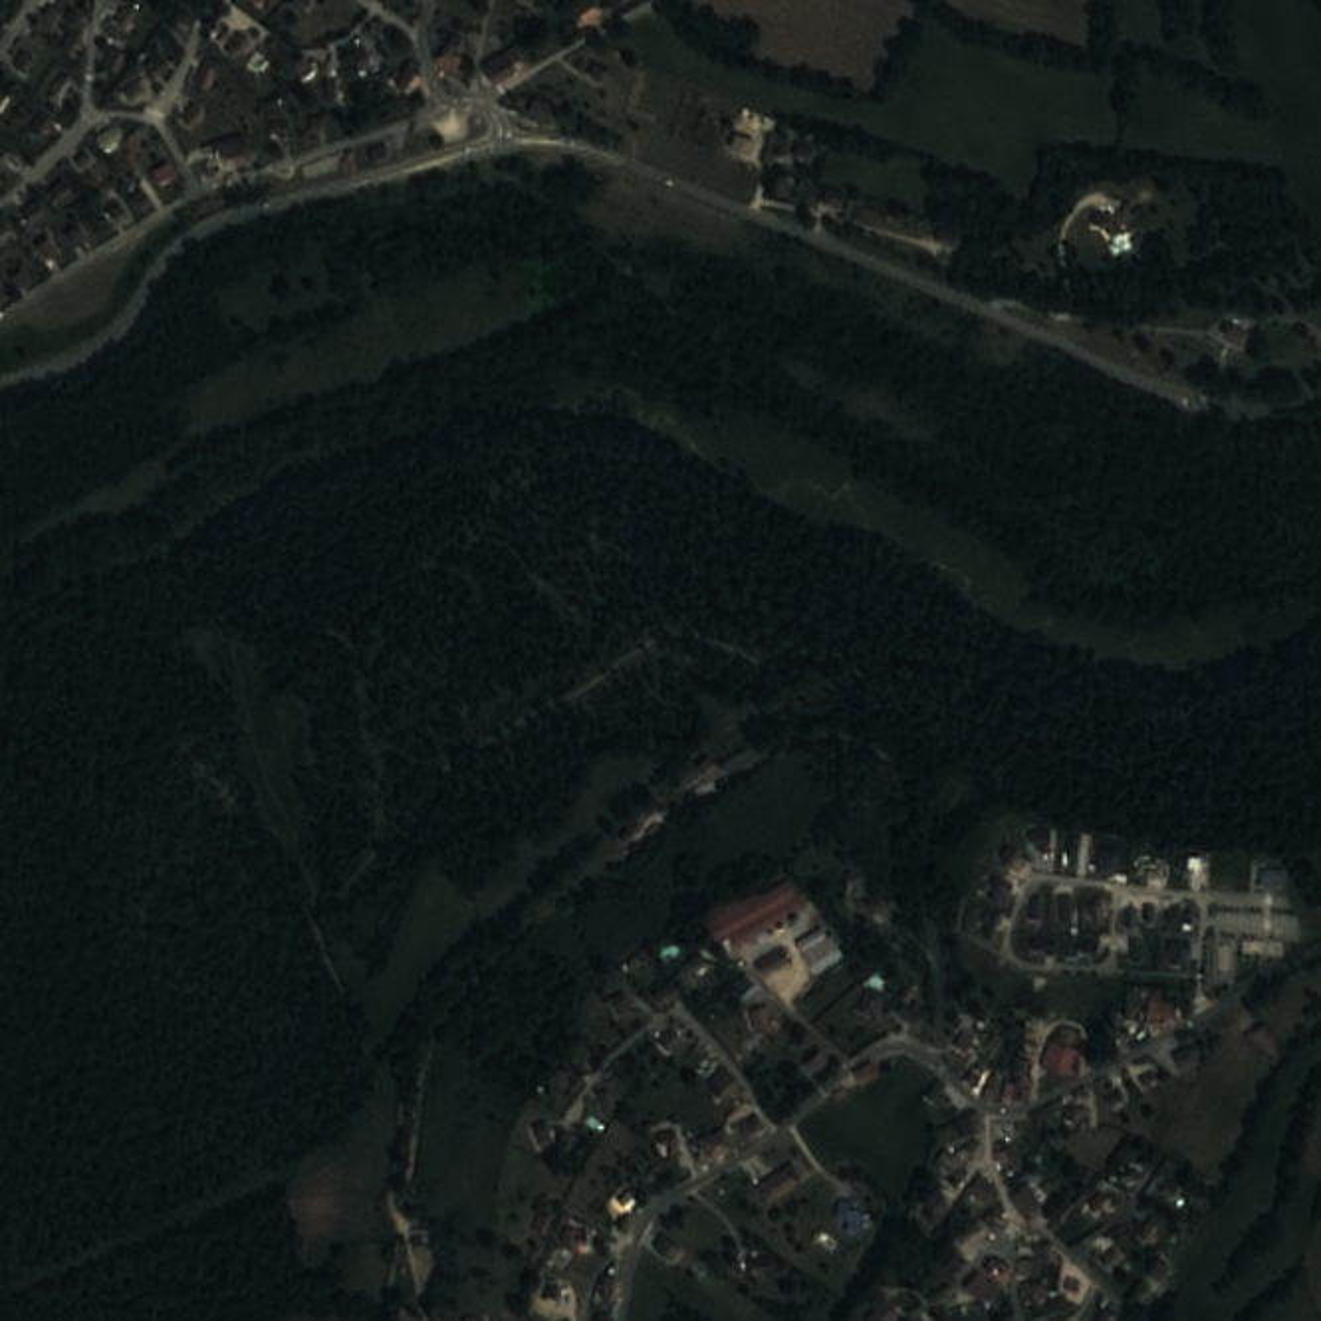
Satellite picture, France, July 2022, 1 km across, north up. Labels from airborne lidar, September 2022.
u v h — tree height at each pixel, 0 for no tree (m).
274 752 0
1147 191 0
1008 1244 0
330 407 16
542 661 13
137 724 9
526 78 0
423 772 13
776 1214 8
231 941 11
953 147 0
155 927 8
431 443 32
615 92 0
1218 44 25
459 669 10
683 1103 0
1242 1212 0
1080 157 17
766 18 0
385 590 16
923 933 14
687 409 12
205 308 25
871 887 8
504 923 14
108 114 0
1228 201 21
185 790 11
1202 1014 0
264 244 18
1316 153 0
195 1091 13
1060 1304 6
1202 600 22
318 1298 21
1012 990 0
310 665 19
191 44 0
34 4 0
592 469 19
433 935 0
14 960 12
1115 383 13
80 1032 16
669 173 0
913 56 6
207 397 0
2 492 28
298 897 9
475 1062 7
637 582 28
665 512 19
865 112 0
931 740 19
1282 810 24
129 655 12
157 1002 9
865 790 20
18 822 15
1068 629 0
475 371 17
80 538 26
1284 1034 0
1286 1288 11
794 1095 18
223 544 17
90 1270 11
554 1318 0
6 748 18
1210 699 34
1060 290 13
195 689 14
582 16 0
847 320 10
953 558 0
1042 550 7
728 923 0
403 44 16
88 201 7
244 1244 13
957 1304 0
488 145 0
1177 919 0
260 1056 19
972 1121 0
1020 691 8
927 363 11
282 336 18
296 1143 17
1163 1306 15
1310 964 22
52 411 21
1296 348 0
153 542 13
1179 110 0
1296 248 15
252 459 23
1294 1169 9
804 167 14
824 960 0
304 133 8
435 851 22
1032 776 20
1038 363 7
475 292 0
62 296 0
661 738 20
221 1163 16
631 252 9
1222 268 21
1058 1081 0
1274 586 23
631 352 12
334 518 16
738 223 0
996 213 16
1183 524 20
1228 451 12
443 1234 11
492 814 14
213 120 0
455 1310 6
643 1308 0
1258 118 19
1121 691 26
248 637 13
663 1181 14
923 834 9
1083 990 0
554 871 22
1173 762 21
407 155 0
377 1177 0
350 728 17
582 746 22
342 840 14
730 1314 0
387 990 0
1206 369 15
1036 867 0
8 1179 13
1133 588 12
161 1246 15
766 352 7
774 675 19
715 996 7
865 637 29
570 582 8
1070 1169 19
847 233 7
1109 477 23
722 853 0
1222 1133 0
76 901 18
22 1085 13
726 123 9
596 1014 0
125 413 22
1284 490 21
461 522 13
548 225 22
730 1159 0
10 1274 10
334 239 21
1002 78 0
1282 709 27
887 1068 10
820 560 24
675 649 16
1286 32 0
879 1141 0
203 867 15
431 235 28
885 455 18
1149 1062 0
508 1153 0
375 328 0
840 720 10
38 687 14
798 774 0
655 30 0
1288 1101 0
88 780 15
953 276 12
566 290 10
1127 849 0
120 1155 13
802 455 0
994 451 16
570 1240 0
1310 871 16
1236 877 0
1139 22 0
